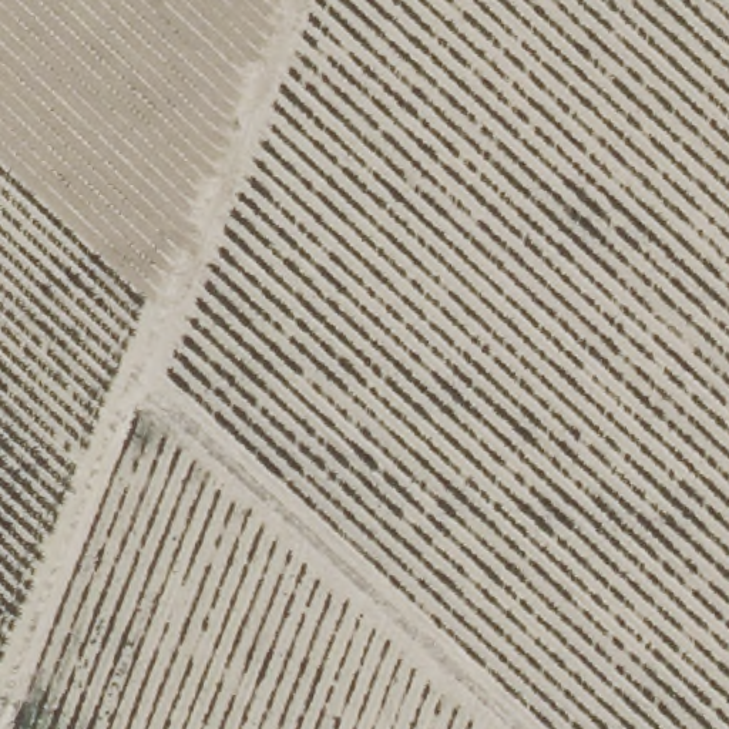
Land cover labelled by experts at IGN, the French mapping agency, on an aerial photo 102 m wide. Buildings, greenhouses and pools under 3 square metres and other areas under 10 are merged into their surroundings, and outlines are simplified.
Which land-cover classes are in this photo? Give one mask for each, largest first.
<instances>
[{"label":"vineyard","instance_id":"1","mask_svg":"<svg viewBox=\"0 0 729 729\"><path fill-rule=\"evenodd\" d=\"M279 9V0H0V661L6 652V638L17 626V615L26 604V595L31 592L34 567L37 561H43V538L54 533L60 507L71 493L77 467L74 461H68L71 450L91 447V433L100 421L105 396L114 384V376L120 373L128 345L137 336V322L145 296L159 290V271L168 265L165 256H177L179 251H185L188 256L199 253V228L191 222V199H196V188L202 179L214 177V162L228 154V128L239 131L236 103L242 91V77L248 63L262 60V54H256L248 43L265 46L262 34H273L268 17ZM316 6H322L325 14H310L308 20L319 28V34H325V40L316 43V37L302 34V40L316 48L313 60L302 54L305 68H310L313 74L310 80H305L296 68H290V77L308 88V97L299 100L296 91H290L288 85L279 88L285 100L282 105L273 103L276 117L271 122L276 142L271 145L262 140V151L273 159L268 165L256 159V168L271 177V185L265 188L259 179H251L239 194V202L225 219V236L234 245L231 251L219 248V256L211 262V273L205 279V290L214 296V302L208 305L196 299L191 325L185 327L182 342L174 347V359L168 367V379L188 399H194L236 444H242L271 476L265 478V484H259L253 476H248L242 464L222 453L216 441L205 430H199L194 419H188L177 407H159L154 396L145 393V399L134 410L131 427L111 464L108 481L103 487L94 518L88 524V533L83 538V547L77 552V561L48 624L34 672L28 678L26 701L20 703L11 729H729V0H316Z\"/></svg>","mask_w":729,"mask_h":729},{"label":"plowed land","instance_id":"2","mask_svg":"<svg viewBox=\"0 0 729 729\"><path fill-rule=\"evenodd\" d=\"M310 14H325L322 6H316V0H279V9L268 17L273 34H262L265 46L248 43L256 54H262V60L248 63L242 77V91L236 103L239 131L228 128V154L214 162V177L202 179L196 188V199H191V222L199 228V253L188 256L185 251H179L177 256H165L168 265L159 271V290L145 296L137 322V336L128 345L120 373L114 376V384L105 396L100 421L91 433V447L71 450L68 461H74L77 467L71 493L60 507L54 533L43 538V561H37L34 567L31 592L26 595V604L17 615V626L6 638V652L0 661V729H11L20 703L26 701L28 678L34 672L48 624L77 561V552L83 547V538L88 533V524L94 518L103 487L108 481L111 464L131 427L134 410L145 399V393L154 396L159 407H177L188 419H194L199 430H205L216 441L222 453L242 464L248 476H253L259 484H265V478L271 476L242 444H236L194 399H188L168 379V367L174 359V347L182 342L185 327L191 325L196 299L208 305L214 302V296L205 290V279L211 273V262L219 256V248L231 251L234 245L225 236V219L239 202V194L251 179H259L265 188L271 185V177L256 168V159L268 165L273 159L262 151V140L271 145L276 142L271 122L276 117L273 103L282 105L285 100L279 88L288 85L290 91H296L299 100L308 97V88L290 77V68H296L305 80H310L313 74L310 68H305L302 54L313 60L316 48L302 40V34L316 37V43L325 40V34H319V28L308 20Z\"/></svg>","mask_w":729,"mask_h":729}]
</instances>
